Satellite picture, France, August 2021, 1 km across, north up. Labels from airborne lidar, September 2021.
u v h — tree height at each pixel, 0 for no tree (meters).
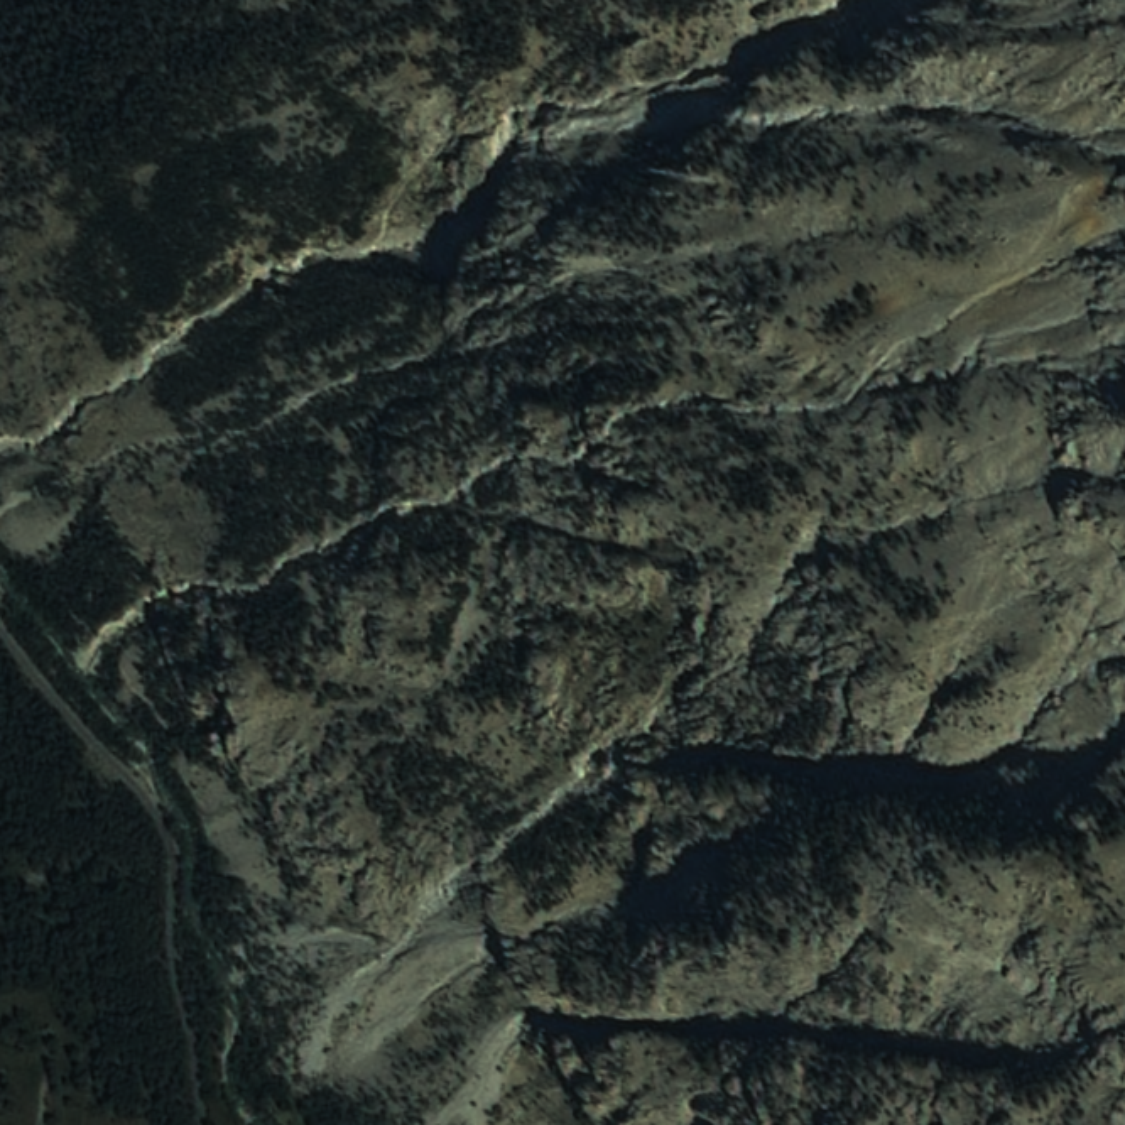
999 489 0
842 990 13
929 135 0
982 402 0
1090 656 0
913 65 0
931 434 0
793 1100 9
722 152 6
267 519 7
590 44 10
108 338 6
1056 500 0
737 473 6
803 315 0
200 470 8
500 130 0
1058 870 0
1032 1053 0
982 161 0
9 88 9
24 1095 0
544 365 6
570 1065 6
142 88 17
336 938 0
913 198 0
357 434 12
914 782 7
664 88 0
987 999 0
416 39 0
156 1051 18
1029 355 0
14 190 8
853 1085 9
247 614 8
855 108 0
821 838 10
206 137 6
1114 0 0
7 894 13
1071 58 0
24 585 9
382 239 0
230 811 0
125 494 0
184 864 15
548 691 0
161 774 10
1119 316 0
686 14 9
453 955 0
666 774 5
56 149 7
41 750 14
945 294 0
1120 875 0
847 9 0
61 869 15
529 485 0
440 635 7
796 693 6
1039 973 8
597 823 9
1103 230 0
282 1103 11
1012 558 0
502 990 8
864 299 14
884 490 0
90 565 6
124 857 18
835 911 6
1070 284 0
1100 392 0
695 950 9
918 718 0
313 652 6
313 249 0
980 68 0
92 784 9
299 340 6
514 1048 0
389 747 7
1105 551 0
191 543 0
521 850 6
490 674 11
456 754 8
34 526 0
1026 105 0
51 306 0
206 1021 17
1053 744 0
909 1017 6
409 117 0
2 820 12
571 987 6
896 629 0
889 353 0
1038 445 0
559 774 0
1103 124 0
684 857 0
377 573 6
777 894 7
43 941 6
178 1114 20
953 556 0
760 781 9
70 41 15
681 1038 9
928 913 0
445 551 8
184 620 6
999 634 0
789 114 0
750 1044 8
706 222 0
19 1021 8
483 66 9
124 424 0
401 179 0
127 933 20
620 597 7
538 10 8
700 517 0
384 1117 6
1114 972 0
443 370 6
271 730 0
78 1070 14
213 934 13
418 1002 0
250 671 0
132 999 16
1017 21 0
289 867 8
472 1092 0
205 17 8
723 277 8
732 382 0
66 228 0
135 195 0
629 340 7
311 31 13
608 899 0
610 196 8
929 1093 7
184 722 10
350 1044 0
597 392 7
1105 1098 0
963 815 12
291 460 7
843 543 0
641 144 6
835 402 0
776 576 0
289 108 0
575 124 0
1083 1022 0
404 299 7
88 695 7
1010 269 0
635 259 0
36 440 0
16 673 11
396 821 8
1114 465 0
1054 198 0
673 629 0
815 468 8
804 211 0
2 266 0
